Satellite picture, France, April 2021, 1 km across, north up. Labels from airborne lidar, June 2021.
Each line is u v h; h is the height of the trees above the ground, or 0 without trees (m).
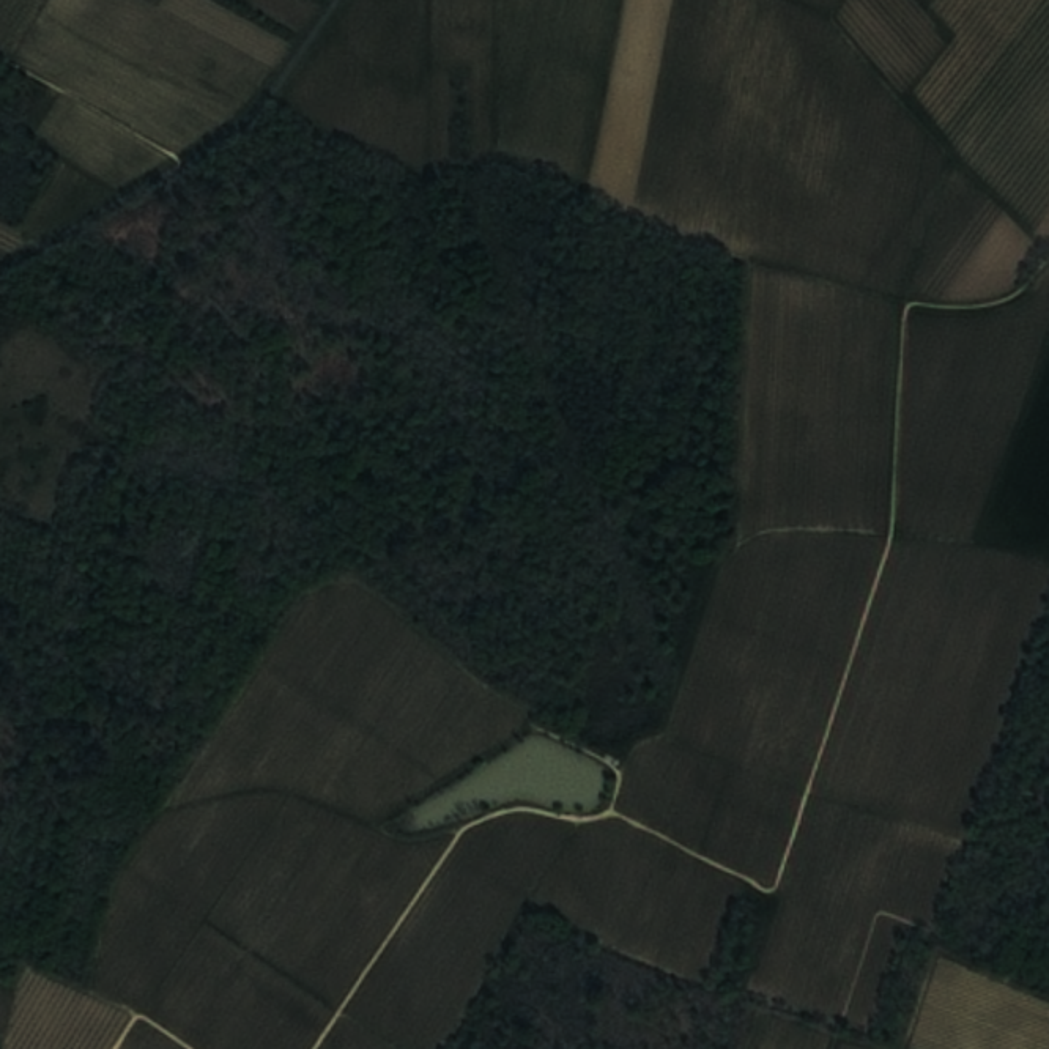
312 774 0
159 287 19
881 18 0
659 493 26
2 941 21
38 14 0
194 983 0
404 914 0
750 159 0
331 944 0
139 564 22
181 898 0
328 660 0
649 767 0
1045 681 19
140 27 0
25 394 0
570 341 25
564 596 14
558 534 21
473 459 14
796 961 0
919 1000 13
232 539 13
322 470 22
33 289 19
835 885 0
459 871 0
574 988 12
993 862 13
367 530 24
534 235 20
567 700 12
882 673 0
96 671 24
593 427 29
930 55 0
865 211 0
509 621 20
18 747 9
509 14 0
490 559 10
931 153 0
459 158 12
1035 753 24
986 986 0
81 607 19
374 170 18
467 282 25
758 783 0
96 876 22
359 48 0
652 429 28
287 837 0
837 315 0
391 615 0
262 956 0
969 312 0
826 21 0
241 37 0
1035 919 27
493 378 23
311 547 22
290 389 20
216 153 20
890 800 0
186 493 23
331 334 19
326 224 24
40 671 20
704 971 0
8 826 20
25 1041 0
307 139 16
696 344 25
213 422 19
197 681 19
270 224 17
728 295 23
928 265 0
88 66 0
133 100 0
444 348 21
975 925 13
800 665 0
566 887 0
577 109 0
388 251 19
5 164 14
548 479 19
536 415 23
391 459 27
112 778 15
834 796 0
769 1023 0
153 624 17
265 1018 0
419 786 0
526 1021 7
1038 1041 0
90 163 0
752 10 0
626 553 17
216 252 22
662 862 0
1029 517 0
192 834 0
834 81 0
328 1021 0
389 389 25
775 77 0
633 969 8
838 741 0
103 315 15
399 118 0
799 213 0
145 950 0
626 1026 12
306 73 0
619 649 7
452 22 0
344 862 0
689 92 0
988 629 0
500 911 0
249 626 17
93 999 0
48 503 0
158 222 8
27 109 17
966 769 0
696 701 0
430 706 0
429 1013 0
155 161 0
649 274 21
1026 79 0
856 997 0
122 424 20
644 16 0
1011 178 0
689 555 21
